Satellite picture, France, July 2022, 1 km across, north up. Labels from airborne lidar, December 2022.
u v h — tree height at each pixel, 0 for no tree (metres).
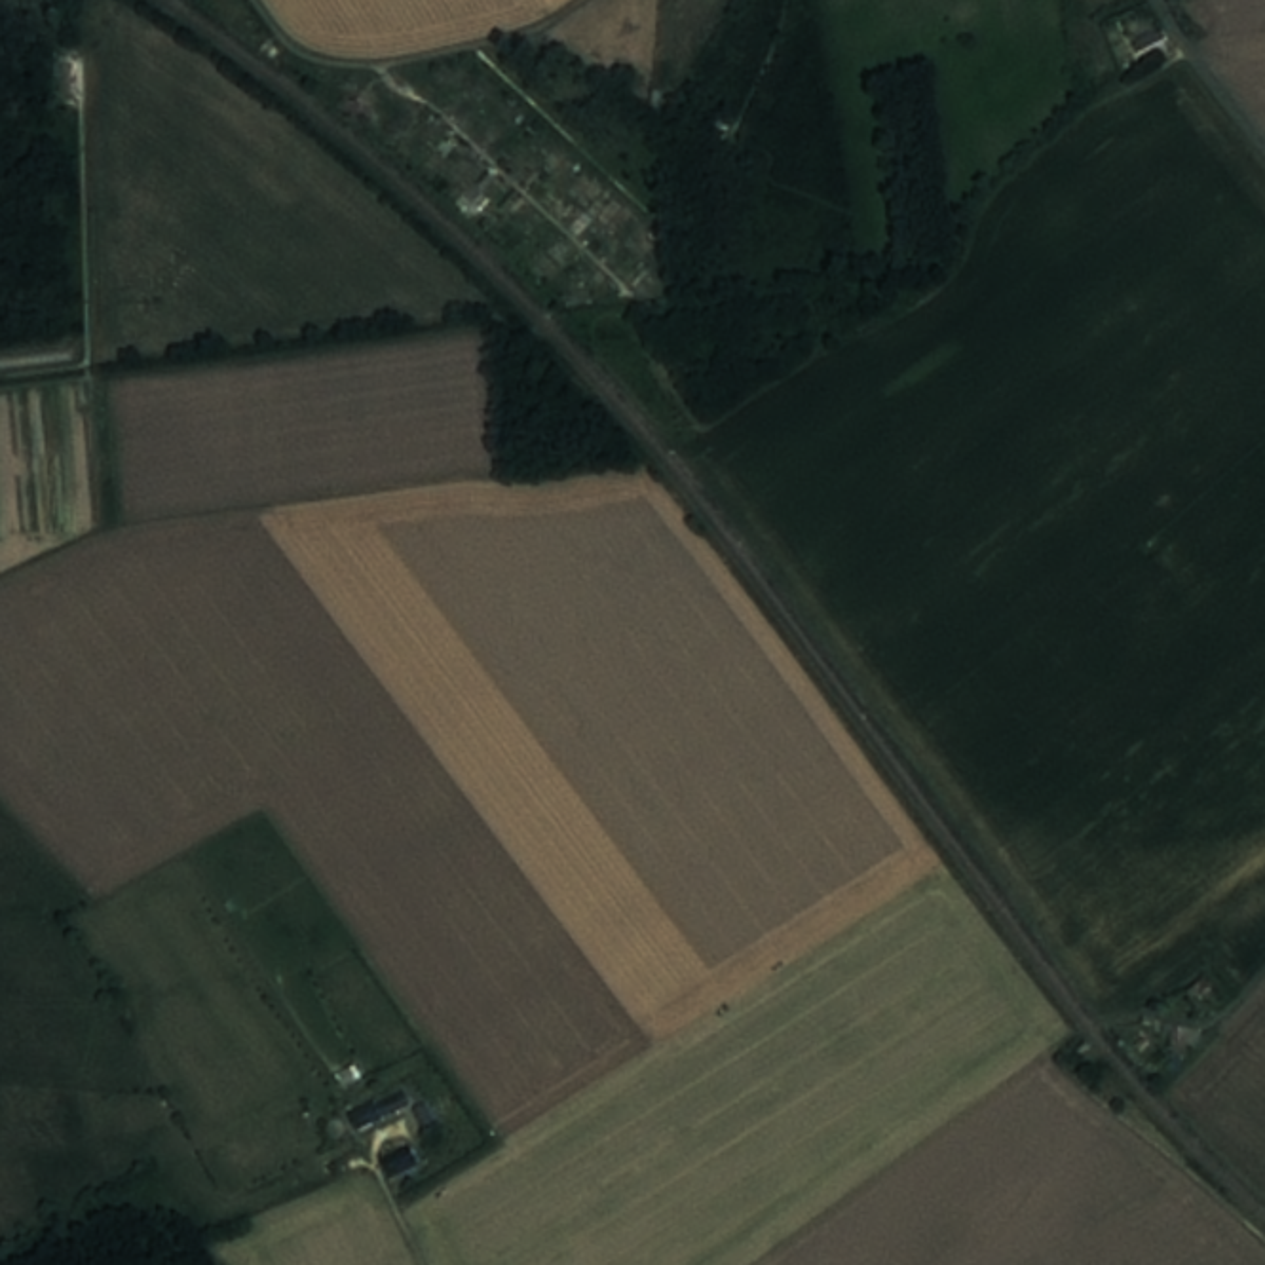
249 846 0
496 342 10
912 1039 0
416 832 0
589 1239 0
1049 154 0
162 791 0
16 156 14
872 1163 0
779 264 0
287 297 0
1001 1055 0
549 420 23
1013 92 0
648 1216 0
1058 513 0
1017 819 0
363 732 0
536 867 0
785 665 0
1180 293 0
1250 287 0
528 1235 0
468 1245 0
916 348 0
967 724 0
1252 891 0
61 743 0
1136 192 0
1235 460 0
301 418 0
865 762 0
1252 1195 0
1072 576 0
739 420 0
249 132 0
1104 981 0
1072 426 0
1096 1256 0
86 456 0
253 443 0
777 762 0
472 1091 0
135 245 0
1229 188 0
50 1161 0
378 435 0
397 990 0
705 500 0
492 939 0
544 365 19
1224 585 0
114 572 0
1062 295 0
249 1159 0
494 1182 0
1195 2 0
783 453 0
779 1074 0
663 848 0
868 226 0
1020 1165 0
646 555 0
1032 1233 0
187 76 0
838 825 0
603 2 0
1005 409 0
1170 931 0
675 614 0
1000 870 0
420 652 0
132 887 0
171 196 0
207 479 0
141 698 0
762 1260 0
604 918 0
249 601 0
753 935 0
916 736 0
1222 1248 0
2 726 0
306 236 0
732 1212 0
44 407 0
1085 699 0
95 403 0
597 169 0
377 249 0
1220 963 0
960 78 0
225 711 0
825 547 0
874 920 0
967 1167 0
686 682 0
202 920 0
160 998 0
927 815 0
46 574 0
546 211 0
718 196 14
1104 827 0
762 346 12
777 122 8
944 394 0
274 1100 0
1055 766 0
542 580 0
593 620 0
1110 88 0
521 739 0
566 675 0
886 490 0
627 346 0
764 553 0
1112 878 0
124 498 0
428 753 0
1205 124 0
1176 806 0
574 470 21
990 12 0
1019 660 0
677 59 0
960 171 0
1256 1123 0
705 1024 0
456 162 0
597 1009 0
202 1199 0
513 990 0
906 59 0
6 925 0
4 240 13
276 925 0
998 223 0
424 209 0
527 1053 0
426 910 0
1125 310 0
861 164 0
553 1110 0
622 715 0
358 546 0
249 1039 0
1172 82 0
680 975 0
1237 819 0
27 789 0
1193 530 0
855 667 0
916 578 0
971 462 0
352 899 0
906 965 0
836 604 0
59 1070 0
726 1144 0
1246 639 0
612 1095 0
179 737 0
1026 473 0
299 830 0
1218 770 0
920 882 0
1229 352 0
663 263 16
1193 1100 0
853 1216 0
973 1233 0
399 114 0
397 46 0
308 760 0
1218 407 0
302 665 0
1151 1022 0
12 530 0
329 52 0
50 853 0
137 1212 16
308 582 0
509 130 0
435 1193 0
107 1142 0
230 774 0
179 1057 0
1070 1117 0
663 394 0
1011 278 0
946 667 0
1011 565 0
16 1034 0
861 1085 0
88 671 0
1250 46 0
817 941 0
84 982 0
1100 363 0
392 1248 0
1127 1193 0
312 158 0
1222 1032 0
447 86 0
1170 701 0
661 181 20
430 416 0
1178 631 0
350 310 0
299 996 0
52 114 12
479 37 0
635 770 0
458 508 0
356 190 0
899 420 0
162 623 0
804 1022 0
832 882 0
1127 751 0
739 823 0
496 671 0
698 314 11
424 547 0
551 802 0
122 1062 0
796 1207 0
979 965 0
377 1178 0
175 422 0
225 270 0
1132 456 0
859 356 0
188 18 0
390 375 0
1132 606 0
